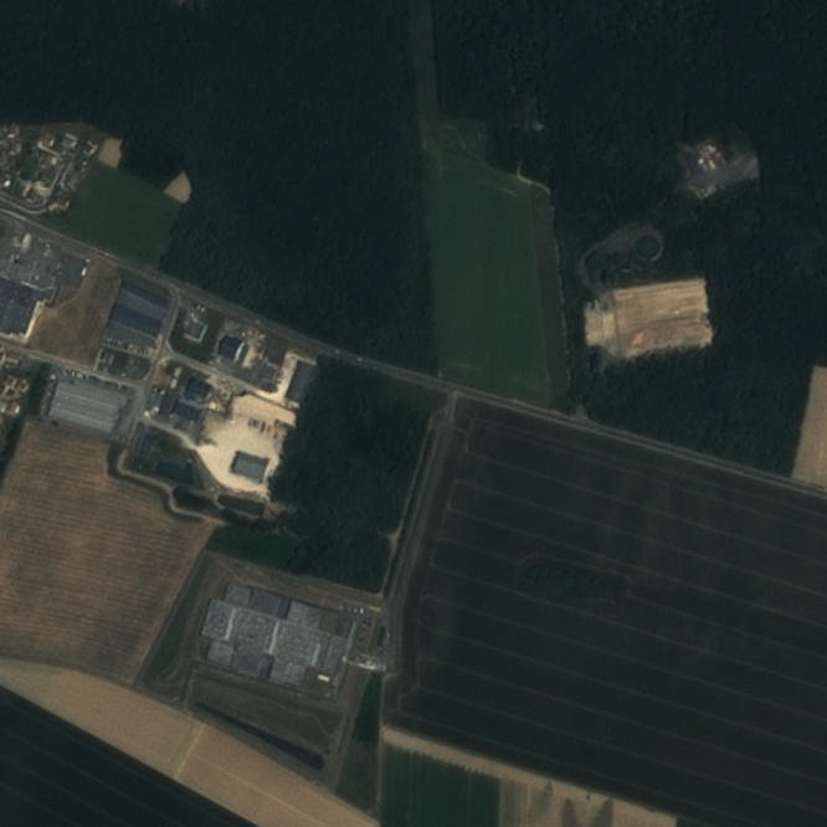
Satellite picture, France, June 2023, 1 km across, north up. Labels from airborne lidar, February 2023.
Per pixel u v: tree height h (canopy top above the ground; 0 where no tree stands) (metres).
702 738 0
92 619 0
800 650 0
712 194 0
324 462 11
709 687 0
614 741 0
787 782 0
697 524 0
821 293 13
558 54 15
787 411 15
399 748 0
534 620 0
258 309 9
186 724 0
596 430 0
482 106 10
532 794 0
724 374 17
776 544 0
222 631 0
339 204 18
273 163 19
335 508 19
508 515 0
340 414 17
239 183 19
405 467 9
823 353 17
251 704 0
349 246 12
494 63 20
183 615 0
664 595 0
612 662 0
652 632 0
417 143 16
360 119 16
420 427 7
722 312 12
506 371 0
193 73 17
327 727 0
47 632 0
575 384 11
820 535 0
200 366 0
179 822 0
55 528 0
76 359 0
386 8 16
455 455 0
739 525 0
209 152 18
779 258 17
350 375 15
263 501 0
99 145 0
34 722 0
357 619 0
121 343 0
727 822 0
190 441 0
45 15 18
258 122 19
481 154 0
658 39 20
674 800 0
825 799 0
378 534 16
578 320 12
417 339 15
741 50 22
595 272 9
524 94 11
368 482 19
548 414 0
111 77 19
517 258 0
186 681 0
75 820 0
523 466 0
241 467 0
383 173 17
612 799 0
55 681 0
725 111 20
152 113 19
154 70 18
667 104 22
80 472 0
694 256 16
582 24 19
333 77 20
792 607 0
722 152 0
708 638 0
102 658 0
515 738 0
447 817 0
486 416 0
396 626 0
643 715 0
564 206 17
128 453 0
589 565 0
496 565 0
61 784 0
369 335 13
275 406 0
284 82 19
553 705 0
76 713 0
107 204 0
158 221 0
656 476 0
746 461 13
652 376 14
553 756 0
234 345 0
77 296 0
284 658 0
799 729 0
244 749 0
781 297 16
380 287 16
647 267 9
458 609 0
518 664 0
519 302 0
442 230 0
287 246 15
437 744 0
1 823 0
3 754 0
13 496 0
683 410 14
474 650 0
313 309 12
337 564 16
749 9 18
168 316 0
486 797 0
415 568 0
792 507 0
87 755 0
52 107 17
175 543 0
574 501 0
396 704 0
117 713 0
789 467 13
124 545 0
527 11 19
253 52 19
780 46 18
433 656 0
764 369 21
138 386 0
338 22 14
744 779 0
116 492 0
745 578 0
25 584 0
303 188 18
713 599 0
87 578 0
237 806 0
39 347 0
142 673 0
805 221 15
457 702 0
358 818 0
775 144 16
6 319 0
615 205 10
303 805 0
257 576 0
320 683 0
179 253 15
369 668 0
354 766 0
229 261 17
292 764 0
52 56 16
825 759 0
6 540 0
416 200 15
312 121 19
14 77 18
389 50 20
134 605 0
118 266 0
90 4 17
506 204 0
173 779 0
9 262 0
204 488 0
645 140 9
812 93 16
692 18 20
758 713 0
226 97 20
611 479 0
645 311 0
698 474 0
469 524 0
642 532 0
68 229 0
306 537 14
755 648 0
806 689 0
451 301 0
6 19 17
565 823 0
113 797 0
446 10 21
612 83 22
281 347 0
